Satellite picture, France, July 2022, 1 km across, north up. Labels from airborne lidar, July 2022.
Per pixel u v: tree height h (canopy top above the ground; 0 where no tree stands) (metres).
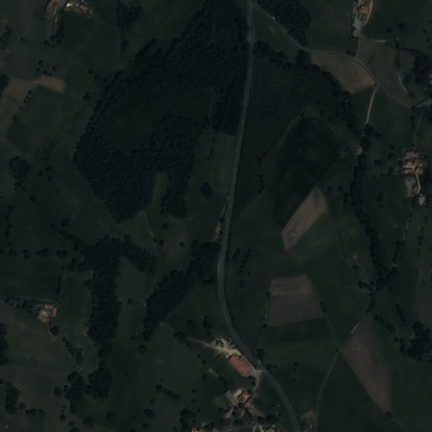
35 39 0
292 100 0
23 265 0
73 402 17
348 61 0
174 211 12
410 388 0
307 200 0
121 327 0
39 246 0
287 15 12
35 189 0
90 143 23
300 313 0
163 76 14
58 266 0
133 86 30
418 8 0
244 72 13
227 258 6
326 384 0
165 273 0
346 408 0
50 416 0
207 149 0
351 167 0
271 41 0
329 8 0
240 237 0
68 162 0
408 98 0
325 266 0
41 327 0
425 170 8
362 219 20
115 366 0
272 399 0
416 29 0
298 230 0
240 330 0
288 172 0
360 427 0
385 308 0
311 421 0
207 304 0
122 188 23
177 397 12
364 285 13
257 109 0
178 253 0
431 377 0
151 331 18
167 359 0
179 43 24
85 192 0
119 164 21
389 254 0
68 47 0
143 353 15
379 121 0
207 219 0
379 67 0
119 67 0
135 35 0
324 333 0
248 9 0
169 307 14
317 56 0
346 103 23
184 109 0
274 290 0
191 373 0
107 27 0
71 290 0
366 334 0
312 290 0
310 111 0
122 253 15
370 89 0
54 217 0
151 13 0
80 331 0
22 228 0
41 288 0
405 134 0
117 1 8
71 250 0
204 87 21
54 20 0
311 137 0
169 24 0
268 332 0
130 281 0
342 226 0
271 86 0
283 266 0
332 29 0
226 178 0
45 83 0
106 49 0
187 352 0
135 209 23
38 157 0
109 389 25
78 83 0
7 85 5
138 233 0
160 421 0
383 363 0
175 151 23
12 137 0
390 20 0
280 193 0
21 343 0
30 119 0
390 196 0
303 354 0
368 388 0
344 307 0
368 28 0
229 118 17
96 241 0
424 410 0
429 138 0
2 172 0
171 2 0
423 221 0
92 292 8
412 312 0
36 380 0
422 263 0
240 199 0
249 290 0
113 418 11
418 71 15
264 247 0
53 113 0
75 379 20
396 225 0
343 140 0
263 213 0
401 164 11
